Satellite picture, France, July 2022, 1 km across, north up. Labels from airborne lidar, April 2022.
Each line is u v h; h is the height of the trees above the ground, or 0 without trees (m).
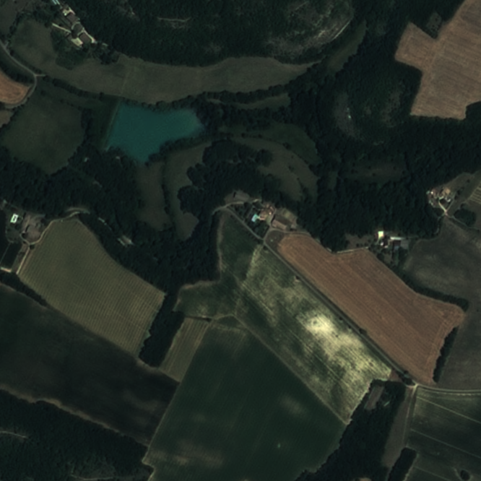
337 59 0
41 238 0
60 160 0
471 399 0
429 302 0
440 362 15
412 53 0
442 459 0
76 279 0
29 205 26
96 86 0
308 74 10
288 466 0
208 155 17
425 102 0
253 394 0
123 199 21
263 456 0
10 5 0
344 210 22
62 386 0
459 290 0
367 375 0
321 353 0
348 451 17
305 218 19
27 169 21
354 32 9
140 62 0
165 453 0
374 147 9
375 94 7
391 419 10
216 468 0
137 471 6
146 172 0
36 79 0
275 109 0
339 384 0
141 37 10
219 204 10
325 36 0
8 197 19
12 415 11
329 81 16
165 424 0
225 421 0
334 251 12
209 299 0
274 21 9
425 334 0
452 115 0
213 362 0
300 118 25
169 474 0
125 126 0
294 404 0
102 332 0
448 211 0
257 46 12
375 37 11
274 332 0
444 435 0
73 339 0
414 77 11
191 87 0
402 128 14
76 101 0
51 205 13
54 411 18
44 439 14
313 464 0
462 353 0
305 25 6
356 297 0
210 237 19
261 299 0
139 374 0
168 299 16
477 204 0
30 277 0
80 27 0
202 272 19
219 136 11
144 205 16
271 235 0
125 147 0
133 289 0
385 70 9
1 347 0
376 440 14
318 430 0
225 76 0
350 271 0
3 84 0
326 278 0
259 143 0
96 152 11
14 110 9
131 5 7
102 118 0
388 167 0
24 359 0
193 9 9
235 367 0
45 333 0
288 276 0
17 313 0
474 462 0
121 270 0
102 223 7
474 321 0
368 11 10
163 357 13
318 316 0
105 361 0
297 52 0
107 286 0
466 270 0
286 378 0
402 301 0
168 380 0
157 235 21
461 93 0
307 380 0
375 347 0
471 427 0
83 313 0
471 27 0
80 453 10
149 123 0
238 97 14
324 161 8
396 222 20
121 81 0
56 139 0
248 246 0
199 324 0
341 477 19
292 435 0
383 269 0
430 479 0
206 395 0
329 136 19
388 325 0
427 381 0
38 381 0
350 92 8
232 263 0
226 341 0
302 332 0
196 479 0
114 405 0
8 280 16
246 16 9
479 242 0
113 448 14
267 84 0
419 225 13
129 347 0
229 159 11
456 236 0
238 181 21
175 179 0
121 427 0
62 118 0
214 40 8
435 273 0
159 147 0
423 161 15
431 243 0
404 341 0
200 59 10
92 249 0
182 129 0
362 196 12
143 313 0
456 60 0
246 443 0
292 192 0
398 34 12
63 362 0
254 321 0
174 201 0
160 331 15
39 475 10
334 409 0
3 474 11
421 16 11
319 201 8
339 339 0
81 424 16
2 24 0
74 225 0
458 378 0
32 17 8
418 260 0
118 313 0
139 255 19
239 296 0
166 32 11
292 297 0
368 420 12
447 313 0
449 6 10
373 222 11
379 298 0
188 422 0
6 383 0
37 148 0
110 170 14
